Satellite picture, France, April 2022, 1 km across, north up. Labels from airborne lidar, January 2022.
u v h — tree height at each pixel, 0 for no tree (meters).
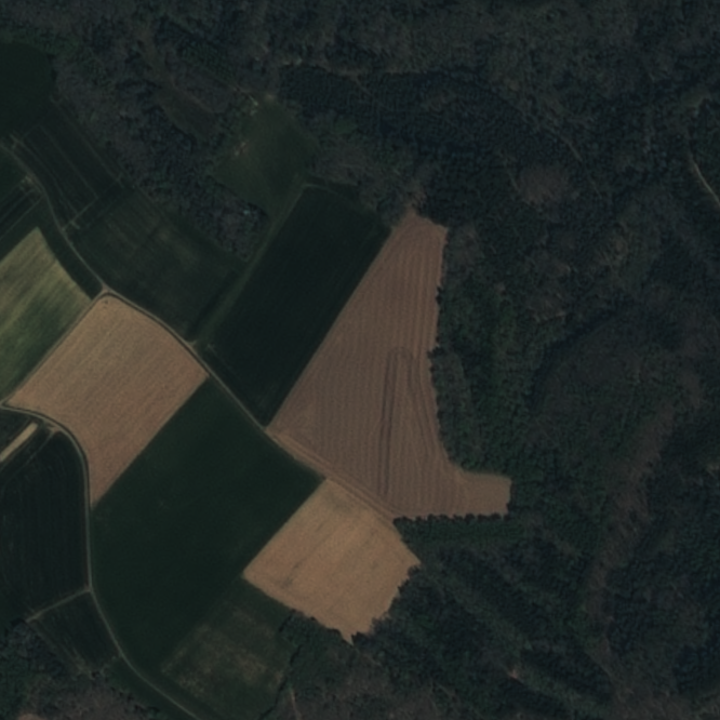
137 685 0
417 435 0
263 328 0
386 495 0
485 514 0
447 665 18
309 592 0
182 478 0
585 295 29
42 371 0
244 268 0
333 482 0
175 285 0
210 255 0
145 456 0
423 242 0
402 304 0
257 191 0
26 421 0
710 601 29
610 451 11
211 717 0
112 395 0
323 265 0
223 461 0
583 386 10
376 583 0
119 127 26
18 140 0
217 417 0
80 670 0
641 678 11
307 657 9
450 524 18
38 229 0
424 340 0
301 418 0
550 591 20
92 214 0
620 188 28
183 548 0
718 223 17
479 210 13
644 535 24
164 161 26
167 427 0
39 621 0
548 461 17
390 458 0
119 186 0
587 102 23
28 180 0
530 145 28
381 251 0
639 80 21
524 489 18
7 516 0
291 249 0
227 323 0
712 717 6
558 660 15
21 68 0
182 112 0
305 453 0
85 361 0
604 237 28
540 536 17
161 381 0
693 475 19
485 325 17
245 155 0
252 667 0
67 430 0
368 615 0
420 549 18
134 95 32
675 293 11
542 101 7
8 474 0
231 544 0
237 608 0
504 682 30
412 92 9
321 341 0
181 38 30
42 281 0
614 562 23
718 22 13
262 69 30
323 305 0
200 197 25
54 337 0
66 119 0
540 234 9
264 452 0
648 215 27
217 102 32
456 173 32
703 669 23
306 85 8
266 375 0
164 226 0
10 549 0
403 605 14
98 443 0
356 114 8
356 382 0
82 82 30
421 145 9
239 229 23
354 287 0
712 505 21
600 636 17
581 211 27
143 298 0
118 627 0
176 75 29
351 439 0
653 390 15
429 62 18
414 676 16
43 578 0
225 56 22
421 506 0
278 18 8
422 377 0
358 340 0
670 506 25
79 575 0
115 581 0
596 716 14
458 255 25
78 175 0
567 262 28
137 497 0
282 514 0
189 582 0
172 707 0
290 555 0
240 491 0
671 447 14
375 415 0
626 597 28
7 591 0
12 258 0
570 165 28
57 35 25
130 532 0
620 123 21
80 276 0
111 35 24
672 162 22
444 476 0
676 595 20
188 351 0
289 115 17
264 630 0
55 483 0
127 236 0
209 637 0
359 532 0
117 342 0
